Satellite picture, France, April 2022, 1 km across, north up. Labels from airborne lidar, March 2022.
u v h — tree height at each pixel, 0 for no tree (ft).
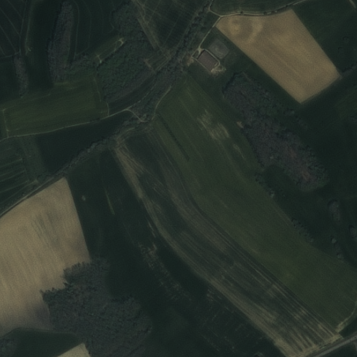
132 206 0
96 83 0
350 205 0
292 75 0
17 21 0
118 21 53
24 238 0
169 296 0
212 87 0
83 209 0
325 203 0
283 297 0
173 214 0
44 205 0
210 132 0
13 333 0
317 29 0
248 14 0
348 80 0
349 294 0
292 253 0
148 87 0
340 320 0
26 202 0
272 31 0
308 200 0
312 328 0
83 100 0
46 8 0
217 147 0
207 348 0
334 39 0
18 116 0
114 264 0
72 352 0
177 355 0
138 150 0
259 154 67
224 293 0
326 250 0
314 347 0
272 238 0
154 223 0
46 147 0
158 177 0
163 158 0
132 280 0
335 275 0
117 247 0
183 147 0
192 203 0
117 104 0
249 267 0
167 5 0
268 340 0
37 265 0
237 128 0
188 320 0
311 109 0
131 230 0
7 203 0
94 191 0
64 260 0
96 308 25
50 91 0
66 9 53
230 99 74
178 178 0
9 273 0
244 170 0
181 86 0
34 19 0
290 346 0
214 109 0
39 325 0
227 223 0
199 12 0
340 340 0
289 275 0
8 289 0
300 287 0
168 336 0
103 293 84
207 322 0
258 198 0
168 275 0
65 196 0
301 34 0
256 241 0
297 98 0
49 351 0
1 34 0
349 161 0
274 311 0
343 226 0
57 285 0
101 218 0
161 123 0
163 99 0
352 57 0
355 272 0
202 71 0
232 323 0
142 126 32
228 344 0
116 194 0
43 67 0
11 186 0
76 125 0
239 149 0
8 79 0
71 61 0
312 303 0
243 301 0
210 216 0
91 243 0
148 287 0
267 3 0
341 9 0
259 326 0
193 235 0
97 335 67
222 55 0
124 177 0
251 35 0
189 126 0
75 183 0
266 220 0
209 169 0
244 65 0
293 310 0
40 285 0
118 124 0
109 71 51
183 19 0
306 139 0
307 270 0
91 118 0
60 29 68
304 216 0
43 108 0
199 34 51
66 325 52
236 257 0
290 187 0
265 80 0
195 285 0
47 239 0
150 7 0
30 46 0
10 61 0
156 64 0
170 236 0
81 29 0
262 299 0
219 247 0
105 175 0
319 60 0
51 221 0
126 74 53
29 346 0
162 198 0
